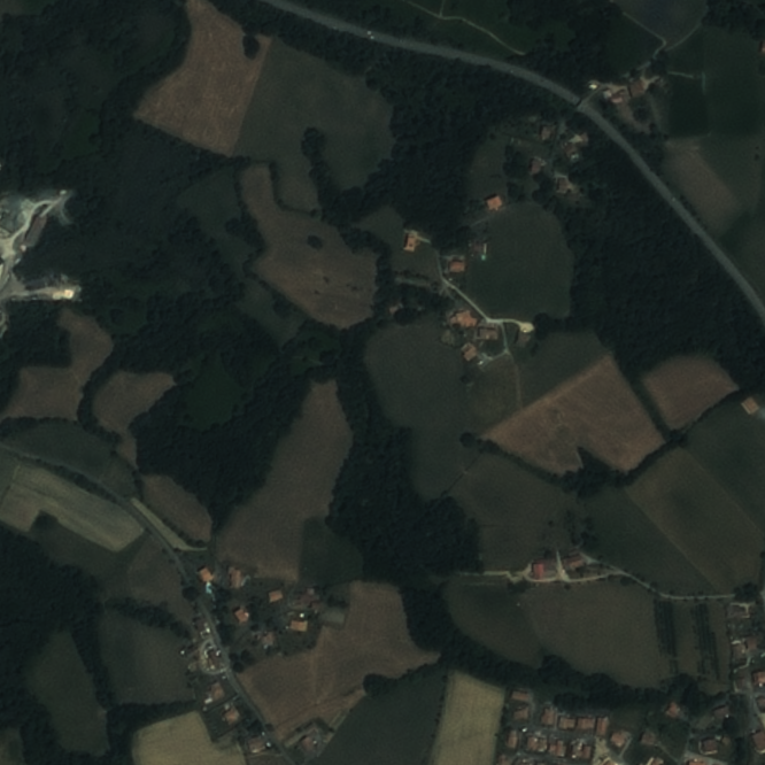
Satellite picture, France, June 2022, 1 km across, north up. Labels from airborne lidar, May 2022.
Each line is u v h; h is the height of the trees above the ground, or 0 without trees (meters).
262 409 22
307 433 0
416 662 0
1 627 19
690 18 0
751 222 0
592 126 15
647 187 16
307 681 0
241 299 9
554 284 0
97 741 0
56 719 0
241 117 0
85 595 18
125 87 14
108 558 0
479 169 0
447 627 23
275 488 0
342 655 0
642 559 0
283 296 6
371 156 0
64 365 9
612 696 17
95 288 8
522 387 0
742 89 0
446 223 20
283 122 0
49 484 0
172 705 8
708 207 0
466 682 0
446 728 0
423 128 26
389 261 8
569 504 0
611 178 22
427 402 0
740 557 0
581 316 21
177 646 0
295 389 13
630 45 0
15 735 0
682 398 0
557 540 0
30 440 0
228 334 10
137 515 0
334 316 0
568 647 0
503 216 0
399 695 0
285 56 0
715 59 0
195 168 9
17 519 0
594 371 0
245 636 0
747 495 0
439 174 9
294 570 0
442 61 13
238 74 0
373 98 0
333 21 0
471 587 0
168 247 8
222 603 14
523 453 0
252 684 0
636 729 0
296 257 0
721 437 0
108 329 6
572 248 14
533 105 20
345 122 0
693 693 16
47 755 12
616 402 0
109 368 16
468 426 0
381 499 22
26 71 17
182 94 0
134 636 0
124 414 0
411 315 19
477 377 0
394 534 22
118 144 8
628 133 11
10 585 13
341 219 18
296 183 0
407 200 23
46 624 24
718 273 18
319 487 0
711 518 0
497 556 0
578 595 0
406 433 14
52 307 7
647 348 16
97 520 0
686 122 0
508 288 0
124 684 0
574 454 0
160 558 0
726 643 0
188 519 0
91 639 22
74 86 9
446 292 0
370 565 9
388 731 0
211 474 19
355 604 0
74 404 0
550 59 14
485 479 0
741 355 19
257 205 0
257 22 7
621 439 0
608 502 0
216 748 0
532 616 0
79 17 20
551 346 0
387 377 0
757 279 0
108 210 19
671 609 5
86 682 0
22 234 0
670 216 15
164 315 17
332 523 18
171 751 0
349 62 11
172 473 18
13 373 10
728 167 0
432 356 0
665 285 17
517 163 13
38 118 0
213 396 0
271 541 0
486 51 0
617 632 0
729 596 0
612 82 11
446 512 15
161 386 0
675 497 0
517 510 0
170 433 14
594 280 28
